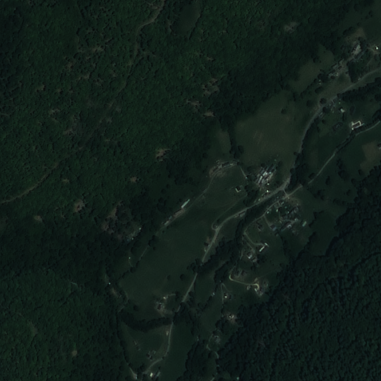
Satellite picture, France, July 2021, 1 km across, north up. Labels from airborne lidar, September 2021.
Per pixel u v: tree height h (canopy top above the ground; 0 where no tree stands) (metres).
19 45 14
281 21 8
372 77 0
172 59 19
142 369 19
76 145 23
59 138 22
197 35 21
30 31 19
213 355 7
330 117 0
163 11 24
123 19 22
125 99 20
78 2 15
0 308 17
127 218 8
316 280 22
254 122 0
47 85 26
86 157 29
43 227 11
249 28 22
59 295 26
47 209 23
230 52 23
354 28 14
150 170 30
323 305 18
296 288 25
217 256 19
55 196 19
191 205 0
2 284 27
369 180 11
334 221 0
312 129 12
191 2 21
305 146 11
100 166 23
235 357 11
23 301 24
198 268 19
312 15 22
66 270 19
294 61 27
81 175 26
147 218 19
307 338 21
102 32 19
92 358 10
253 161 0
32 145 20
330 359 23
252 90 26
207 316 0
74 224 30
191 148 23
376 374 20
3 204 14
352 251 30
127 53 25
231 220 0
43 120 19
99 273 20
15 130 17
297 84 0
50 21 24
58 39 28
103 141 28
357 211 22
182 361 0
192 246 0
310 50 20
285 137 0
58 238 21
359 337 26
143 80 21
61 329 25
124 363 12
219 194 0
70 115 23
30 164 23
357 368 25
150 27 19
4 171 15
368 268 23
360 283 37
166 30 18
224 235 7
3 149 19
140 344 0
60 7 28
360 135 0
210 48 27
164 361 0
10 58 21
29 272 25
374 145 0
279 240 0
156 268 0
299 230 0
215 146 0
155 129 24
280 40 12
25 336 11
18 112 16
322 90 18
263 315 36
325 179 0
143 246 0
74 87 20
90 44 29
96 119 19
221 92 20
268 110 0
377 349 17
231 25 29
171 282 0
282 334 12
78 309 24
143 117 21
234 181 0
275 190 0
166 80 24
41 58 17
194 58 16
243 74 29
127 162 27
